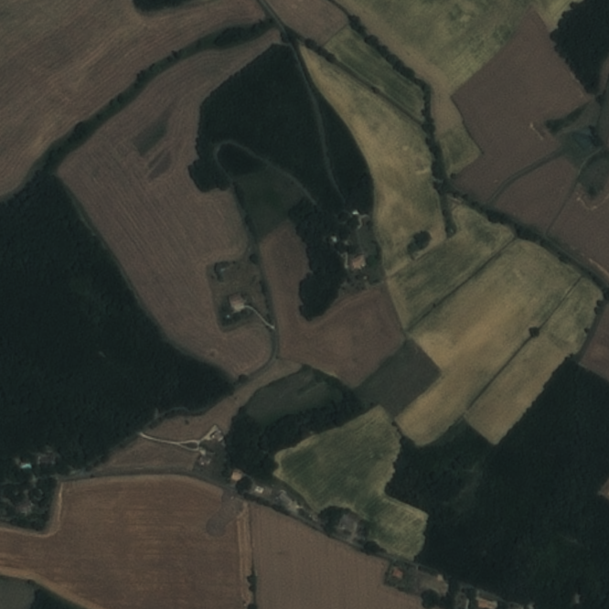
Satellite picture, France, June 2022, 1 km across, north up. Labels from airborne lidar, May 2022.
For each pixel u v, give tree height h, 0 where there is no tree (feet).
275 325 0
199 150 51
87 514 0
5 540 0
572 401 27
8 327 46
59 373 46
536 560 52
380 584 0
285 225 0
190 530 0
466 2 0
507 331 0
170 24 0
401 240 0
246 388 0
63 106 0
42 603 56
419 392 0
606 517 52
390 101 0
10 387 92
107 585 0
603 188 0
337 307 0
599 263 0
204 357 0
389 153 0
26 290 38
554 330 0
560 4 0
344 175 26
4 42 0
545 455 23
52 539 0
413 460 23
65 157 0
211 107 19
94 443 58
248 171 30
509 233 0
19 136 0
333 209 32
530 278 0
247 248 0
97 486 0
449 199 0
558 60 0
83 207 0
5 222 101
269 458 31
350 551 0
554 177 0
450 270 0
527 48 0
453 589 48
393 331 0
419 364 0
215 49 0
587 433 58
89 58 0
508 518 25
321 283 69
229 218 0
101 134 0
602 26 68
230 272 0
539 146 0
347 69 0
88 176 0
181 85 0
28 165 0
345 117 0
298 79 24
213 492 0
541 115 0
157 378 31
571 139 0
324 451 0
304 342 0
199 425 0
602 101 50
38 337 42
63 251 82
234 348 0
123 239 0
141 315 38
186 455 0
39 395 88
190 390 48
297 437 47
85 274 49
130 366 37
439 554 39
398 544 0
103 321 49
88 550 0
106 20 0
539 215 0
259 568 0
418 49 0
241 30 41
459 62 0
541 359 0
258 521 0
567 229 0
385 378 0
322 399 0
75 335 35
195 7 0
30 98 0
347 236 41
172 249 0
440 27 0
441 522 34
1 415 82
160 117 0
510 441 22
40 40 0
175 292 0
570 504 59
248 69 38
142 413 52
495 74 0
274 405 0
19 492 27
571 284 0
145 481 0
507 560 50
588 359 0
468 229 0
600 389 58
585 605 47
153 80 0
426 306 0
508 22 0
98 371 34
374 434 0
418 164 0
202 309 0
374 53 0
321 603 0
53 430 67
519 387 0
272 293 0
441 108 0
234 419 33
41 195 75
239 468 49
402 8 0
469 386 0
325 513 22
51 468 51
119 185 0
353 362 0
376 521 0
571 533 42
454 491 68
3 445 60
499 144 0
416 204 0
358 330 0
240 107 20
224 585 0
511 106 0
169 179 0
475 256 0
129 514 0
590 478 55
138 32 0
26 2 0
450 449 26
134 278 0
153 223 0
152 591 0
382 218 0
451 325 0
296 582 0
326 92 0
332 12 0
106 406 63
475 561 40
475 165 0
